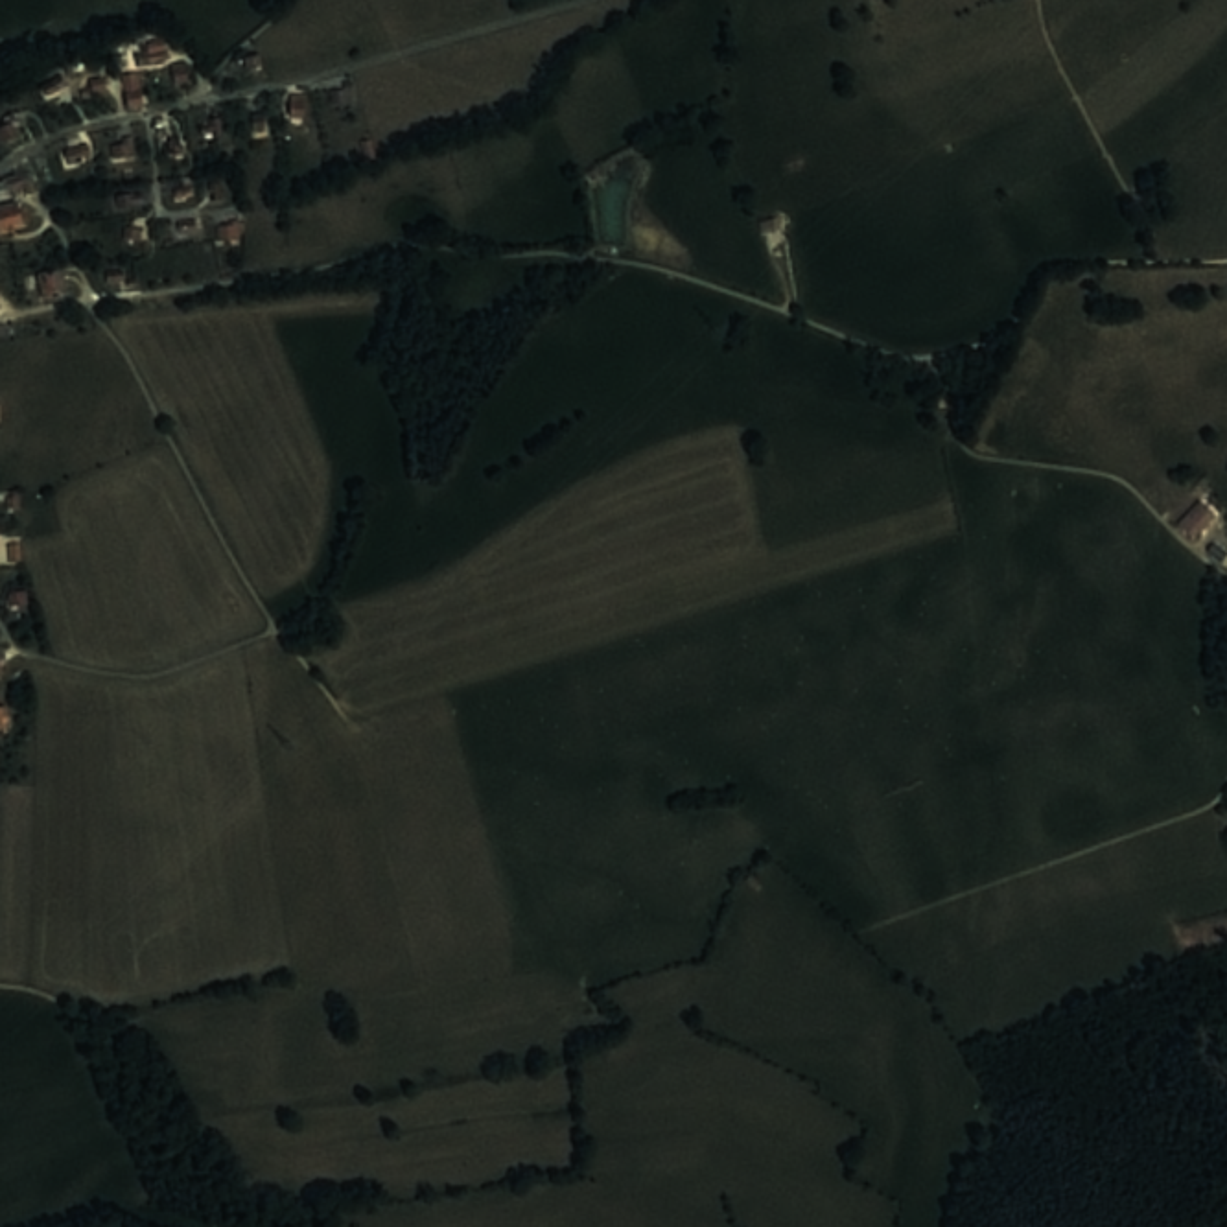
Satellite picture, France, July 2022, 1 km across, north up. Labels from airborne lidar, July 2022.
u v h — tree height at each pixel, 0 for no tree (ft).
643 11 69
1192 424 0
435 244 49
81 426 0
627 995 0
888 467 0
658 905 0
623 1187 0
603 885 0
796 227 0
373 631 0
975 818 0
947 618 0
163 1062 57
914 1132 0
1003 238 0
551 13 0
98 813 0
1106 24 0
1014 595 0
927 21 0
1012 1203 67
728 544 0
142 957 0
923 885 0
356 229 0
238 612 0
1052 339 0
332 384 0
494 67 0
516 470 40
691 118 74
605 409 0
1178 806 0
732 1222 25
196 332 0
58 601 0
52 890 0
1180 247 0
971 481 0
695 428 0
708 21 0
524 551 0
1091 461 0
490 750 0
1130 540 0
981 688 0
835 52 0
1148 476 0
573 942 0
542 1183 52
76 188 56
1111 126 0
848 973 0
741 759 0
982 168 0
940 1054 0
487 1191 20
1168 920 0
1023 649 0
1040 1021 38
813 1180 0
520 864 0
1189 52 0
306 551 0
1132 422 0
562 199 0
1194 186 0
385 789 0
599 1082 0
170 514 0
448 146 88
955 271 0
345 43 0
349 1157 0
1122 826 0
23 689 40
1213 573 45
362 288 60
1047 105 0
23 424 0
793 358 0
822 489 0
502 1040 0
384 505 0
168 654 0
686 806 31
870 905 0
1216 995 31
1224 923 0
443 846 0
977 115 0
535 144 0
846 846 0
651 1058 0
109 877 0
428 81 0
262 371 0
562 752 0
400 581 0
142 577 0
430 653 0
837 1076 0
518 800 0
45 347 0
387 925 0
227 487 0
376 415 0
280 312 0
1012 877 0
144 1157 66
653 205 0
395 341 78
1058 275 53
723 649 0
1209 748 0
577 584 0
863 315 0
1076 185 0
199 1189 69
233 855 0
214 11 0
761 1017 0
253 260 0
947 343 0
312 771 0
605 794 0
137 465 0
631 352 0
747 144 0
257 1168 0
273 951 0
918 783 0
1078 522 0
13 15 0
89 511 0
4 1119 0
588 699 0
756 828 0
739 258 0
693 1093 0
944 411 0
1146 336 0
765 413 0
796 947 0
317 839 0
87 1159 0
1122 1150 52
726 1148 0
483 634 0
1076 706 0
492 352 66
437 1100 0
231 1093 0
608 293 0
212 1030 0
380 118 0
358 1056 0
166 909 0
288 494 0
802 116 0
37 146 0
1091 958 0
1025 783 0
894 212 0
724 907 27
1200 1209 42
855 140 0
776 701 0
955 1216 56
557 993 0
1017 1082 37
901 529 0
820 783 0
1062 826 0
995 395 51
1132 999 35
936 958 0
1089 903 0
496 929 0
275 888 0
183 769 0
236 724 0
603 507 0
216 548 0
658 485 0
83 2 0
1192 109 0
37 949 0
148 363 0
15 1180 0
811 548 0
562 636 0
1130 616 0
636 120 0
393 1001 0
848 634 0
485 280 0
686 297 0
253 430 0
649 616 0
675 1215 0
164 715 0
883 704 0
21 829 0
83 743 0
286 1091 0
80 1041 53
